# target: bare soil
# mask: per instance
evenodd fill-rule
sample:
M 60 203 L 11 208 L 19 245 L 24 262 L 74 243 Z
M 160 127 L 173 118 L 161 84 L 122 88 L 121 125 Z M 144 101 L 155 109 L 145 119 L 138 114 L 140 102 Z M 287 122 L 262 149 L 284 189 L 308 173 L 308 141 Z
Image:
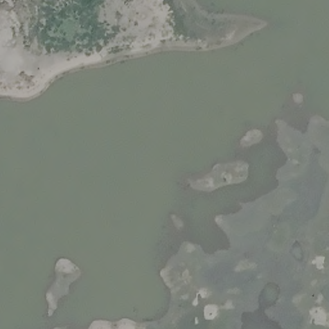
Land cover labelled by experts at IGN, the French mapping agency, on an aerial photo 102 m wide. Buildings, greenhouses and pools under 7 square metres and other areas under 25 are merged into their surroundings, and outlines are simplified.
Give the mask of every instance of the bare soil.
M 58 299 L 67 296 L 69 285 L 81 275 L 81 270 L 71 261 L 59 260 L 55 266 L 57 280 L 51 285 L 46 296 L 49 302 L 49 315 L 54 314 Z
M 329 284 L 323 288 L 312 287 L 312 280 L 306 271 L 308 261 L 305 260 L 305 251 L 308 249 L 307 225 L 319 213 L 328 182 L 328 172 L 319 163 L 319 147 L 323 138 L 316 134 L 316 131 L 329 123 L 329 121 L 320 116 L 312 117 L 306 134 L 292 129 L 283 120 L 275 121 L 278 127 L 278 143 L 287 154 L 287 162 L 276 172 L 278 188 L 261 195 L 253 202 L 243 203 L 239 212 L 216 216 L 216 224 L 229 236 L 229 248 L 207 254 L 199 245 L 181 245 L 179 252 L 161 271 L 164 283 L 171 290 L 171 296 L 175 299 L 186 299 L 194 306 L 200 303 L 204 306 L 204 317 L 208 320 L 215 319 L 221 311 L 233 310 L 230 329 L 242 329 L 243 312 L 257 310 L 258 296 L 266 283 L 274 283 L 280 290 L 278 301 L 274 306 L 267 308 L 265 314 L 271 320 L 278 321 L 281 329 L 329 329 Z M 289 240 L 284 251 L 276 253 L 270 251 L 267 243 L 270 242 L 274 230 L 283 222 L 290 227 Z
M 33 98 L 44 91 L 55 77 L 75 68 L 111 66 L 121 60 L 143 57 L 157 51 L 206 51 L 233 45 L 249 33 L 265 28 L 266 22 L 248 15 L 218 14 L 216 19 L 220 21 L 218 23 L 221 24 L 222 30 L 227 33 L 225 37 L 206 36 L 203 40 L 190 40 L 189 37 L 173 33 L 175 19 L 171 15 L 170 6 L 163 4 L 162 0 L 104 0 L 104 3 L 99 5 L 98 21 L 120 26 L 120 32 L 114 39 L 109 40 L 105 48 L 93 51 L 89 57 L 77 51 L 59 51 L 57 54 L 48 53 L 36 57 L 24 49 L 17 15 L 0 9 L 0 96 Z
M 215 164 L 206 177 L 191 180 L 190 188 L 211 191 L 247 180 L 248 164 L 230 162 Z
M 260 130 L 251 130 L 240 139 L 243 147 L 251 147 L 260 143 L 262 139 Z
M 147 329 L 143 323 L 135 323 L 129 319 L 99 320 L 94 321 L 89 329 Z

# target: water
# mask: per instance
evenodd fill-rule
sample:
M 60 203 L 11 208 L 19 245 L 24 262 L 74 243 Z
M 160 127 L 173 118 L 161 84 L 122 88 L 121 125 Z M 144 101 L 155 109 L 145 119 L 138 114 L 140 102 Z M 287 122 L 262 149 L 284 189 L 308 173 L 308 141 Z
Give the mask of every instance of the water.
M 94 321 L 99 320 L 129 319 L 135 323 L 143 323 L 163 319 L 170 310 L 171 296 L 171 290 L 164 283 L 161 271 L 179 252 L 181 245 L 199 245 L 207 254 L 229 248 L 229 236 L 216 224 L 216 216 L 239 212 L 243 203 L 253 202 L 261 195 L 278 188 L 276 172 L 287 162 L 287 154 L 278 143 L 278 127 L 275 121 L 283 120 L 292 129 L 306 134 L 312 117 L 320 116 L 329 121 L 329 0 L 195 0 L 200 9 L 218 14 L 248 15 L 266 22 L 265 28 L 249 33 L 233 45 L 206 51 L 157 51 L 143 57 L 121 60 L 111 66 L 75 68 L 55 77 L 44 91 L 33 98 L 0 96 L 0 329 L 89 329 Z M 251 147 L 243 147 L 240 139 L 251 130 L 260 130 L 262 139 L 260 143 Z M 191 180 L 206 177 L 215 164 L 230 162 L 248 164 L 247 180 L 211 191 L 190 188 Z M 54 314 L 49 315 L 49 302 L 46 296 L 51 285 L 57 280 L 55 266 L 59 260 L 71 261 L 81 270 L 81 275 L 69 285 L 67 296 L 58 299 Z
M 280 290 L 274 283 L 266 283 L 258 296 L 257 310 L 243 312 L 242 329 L 281 329 L 278 321 L 271 320 L 265 314 L 267 308 L 274 306 L 278 301 Z

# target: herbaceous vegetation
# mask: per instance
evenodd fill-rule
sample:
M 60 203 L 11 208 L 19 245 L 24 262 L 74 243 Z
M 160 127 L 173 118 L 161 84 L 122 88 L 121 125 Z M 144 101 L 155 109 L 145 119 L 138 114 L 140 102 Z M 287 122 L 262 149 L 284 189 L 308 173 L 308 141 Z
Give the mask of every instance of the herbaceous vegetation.
M 171 296 L 170 310 L 163 319 L 143 323 L 147 329 L 230 329 L 233 310 L 221 311 L 215 319 L 208 320 L 204 317 L 204 306 L 200 303 L 194 306 L 186 299 L 175 299 Z
M 319 213 L 307 225 L 308 249 L 305 251 L 305 260 L 308 261 L 306 271 L 312 280 L 312 287 L 323 288 L 329 284 L 329 123 L 316 131 L 316 134 L 323 138 L 319 147 L 319 163 L 328 172 L 328 182 Z
M 173 33 L 189 37 L 190 40 L 203 40 L 206 36 L 225 37 L 227 33 L 222 30 L 221 24 L 218 23 L 220 21 L 216 19 L 218 14 L 200 9 L 195 0 L 162 0 L 163 4 L 170 6 L 171 15 L 175 19 Z
M 267 243 L 270 251 L 276 253 L 284 251 L 289 240 L 290 227 L 283 222 L 274 230 L 270 242 Z
M 105 48 L 109 40 L 114 39 L 120 32 L 120 26 L 98 21 L 99 5 L 104 3 L 104 0 L 0 0 L 0 9 L 17 15 L 24 49 L 36 57 L 48 53 L 57 54 L 59 51 L 77 51 L 89 57 L 93 51 Z

